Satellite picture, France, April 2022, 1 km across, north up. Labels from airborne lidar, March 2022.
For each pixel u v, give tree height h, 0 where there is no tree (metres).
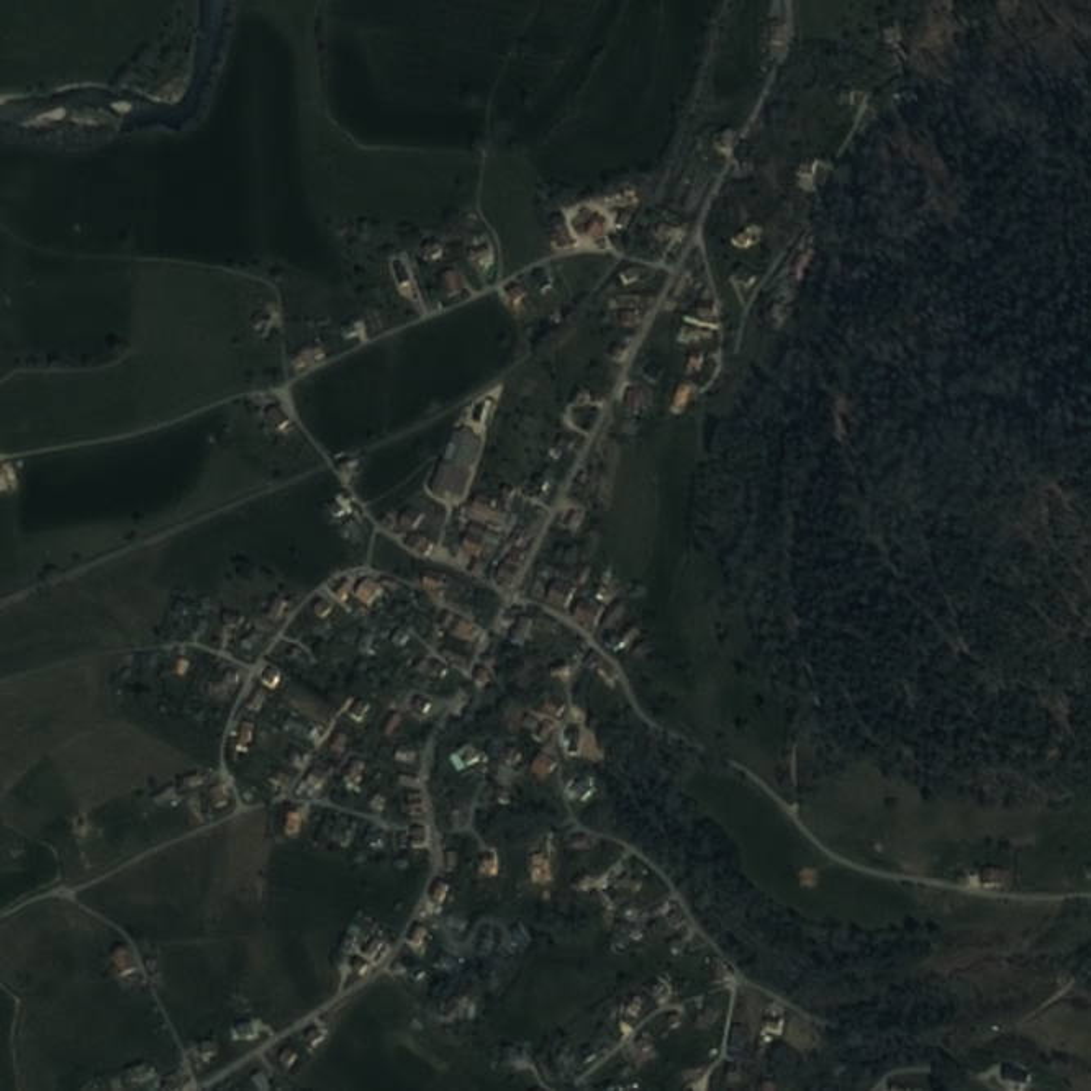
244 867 0
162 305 0
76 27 0
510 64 0
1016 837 0
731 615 13
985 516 13
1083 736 28
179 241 0
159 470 0
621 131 0
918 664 25
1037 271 26
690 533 8
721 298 0
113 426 0
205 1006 0
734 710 0
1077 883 0
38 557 0
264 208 0
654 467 0
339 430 0
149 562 0
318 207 0
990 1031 0
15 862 0
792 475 26
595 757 0
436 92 0
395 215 0
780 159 0
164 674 7
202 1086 0
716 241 0
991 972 0
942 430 19
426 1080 0
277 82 0
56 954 0
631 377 0
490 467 0
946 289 22
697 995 0
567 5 0
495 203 0
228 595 0
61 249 0
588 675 6
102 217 0
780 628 13
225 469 0
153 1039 0
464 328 0
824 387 14
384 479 0
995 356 27
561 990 0
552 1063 8
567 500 0
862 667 24
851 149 0
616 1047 0
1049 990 0
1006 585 17
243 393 0
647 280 0
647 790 19
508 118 0
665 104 0
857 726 26
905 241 23
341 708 0
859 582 25
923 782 21
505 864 0
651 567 0
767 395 15
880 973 28
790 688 16
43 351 0
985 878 0
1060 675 14
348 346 0
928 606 29
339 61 0
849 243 24
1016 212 24
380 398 0
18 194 0
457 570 0
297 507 0
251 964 0
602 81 0
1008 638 23
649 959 0
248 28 0
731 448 20
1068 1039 0
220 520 0
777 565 18
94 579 0
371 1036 0
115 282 0
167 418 0
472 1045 0
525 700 14
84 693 0
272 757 0
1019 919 0
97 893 0
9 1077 0
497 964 24
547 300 0
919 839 0
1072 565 11
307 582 0
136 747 0
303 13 0
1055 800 24
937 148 14
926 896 0
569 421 0
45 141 19
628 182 16
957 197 31
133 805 0
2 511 0
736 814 0
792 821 0
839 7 0
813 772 0
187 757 0
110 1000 0
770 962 19
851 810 0
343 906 0
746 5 0
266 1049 0
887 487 26
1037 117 25
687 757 13
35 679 0
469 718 10
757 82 0
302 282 0
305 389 0
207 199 0
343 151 0
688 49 0
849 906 0
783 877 0
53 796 0
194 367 0
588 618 0
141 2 0
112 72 0
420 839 0
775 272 0
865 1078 14
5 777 0
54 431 0
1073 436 12
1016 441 15
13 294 0
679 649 0
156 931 0
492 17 0
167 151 0
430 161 0
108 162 0
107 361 0
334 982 0
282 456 0
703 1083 0
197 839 0
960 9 18
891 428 26
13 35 0
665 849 19
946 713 20
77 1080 0
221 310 0
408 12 0
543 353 18
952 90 29
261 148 0
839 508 27
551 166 0
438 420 0
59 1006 0
